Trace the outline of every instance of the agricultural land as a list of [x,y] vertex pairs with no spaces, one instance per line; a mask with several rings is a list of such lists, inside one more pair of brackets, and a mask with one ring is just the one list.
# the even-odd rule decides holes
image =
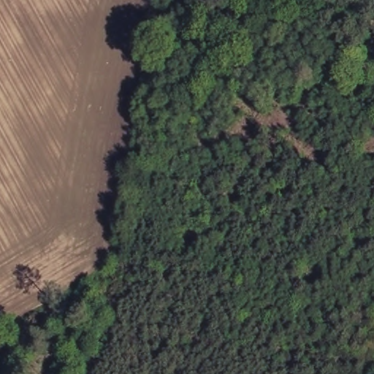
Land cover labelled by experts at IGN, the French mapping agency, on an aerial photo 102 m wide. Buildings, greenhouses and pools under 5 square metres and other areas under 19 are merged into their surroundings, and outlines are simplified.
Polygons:
[[149,80],[158,77],[155,70],[143,70],[142,63],[133,58],[133,34],[137,25],[143,20],[156,19],[153,15],[155,6],[152,0],[0,0],[0,314],[15,314],[16,317],[29,310],[37,310],[44,302],[58,304],[66,297],[70,282],[73,282],[80,273],[86,273],[92,273],[93,266],[96,250],[108,247],[107,241],[112,237],[112,225],[118,221],[114,206],[120,193],[120,178],[115,167],[118,162],[124,161],[130,155],[131,129],[134,126],[130,111],[131,98],[140,85],[145,85]]

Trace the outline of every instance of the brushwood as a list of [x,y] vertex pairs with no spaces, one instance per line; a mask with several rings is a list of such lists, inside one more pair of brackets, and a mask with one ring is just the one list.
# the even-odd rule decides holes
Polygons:
[[345,355],[345,365],[340,365],[339,362],[337,365],[326,365],[321,374],[374,374],[374,358],[365,362],[361,371],[356,371],[356,356]]
[[180,256],[181,247],[158,248],[158,240],[153,238],[153,219],[142,216],[134,228],[134,243],[131,245],[129,263],[118,264],[115,272],[108,275],[110,285],[105,291],[105,297],[114,310],[115,320],[102,333],[98,354],[92,356],[86,364],[86,374],[302,374],[302,362],[297,359],[298,348],[275,351],[270,346],[273,335],[278,333],[276,324],[282,323],[283,329],[288,329],[291,326],[289,318],[275,318],[272,323],[263,323],[257,317],[251,320],[245,317],[243,321],[237,320],[232,314],[235,304],[231,302],[235,292],[234,280],[224,279],[224,273],[218,273],[215,267],[200,270],[199,256],[191,256],[188,251],[186,256]]

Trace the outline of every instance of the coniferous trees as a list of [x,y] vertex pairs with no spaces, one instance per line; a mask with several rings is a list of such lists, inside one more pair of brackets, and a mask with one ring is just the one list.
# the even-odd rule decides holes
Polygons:
[[108,247],[96,250],[93,266],[102,269],[110,254],[120,253],[120,245],[112,244]]
[[340,54],[349,45],[367,47],[367,57],[374,60],[374,0],[324,0],[324,6],[314,10],[314,13],[317,19],[320,19],[320,28],[329,29],[330,35],[327,39],[332,42],[333,51],[324,61],[321,70],[318,67],[310,69],[305,61],[299,63],[301,70],[295,88],[301,89],[302,93],[308,96],[314,92],[320,98],[324,88],[336,88],[337,82],[332,76],[332,67],[339,63]]
[[29,310],[16,317],[19,337],[15,343],[9,345],[12,352],[7,355],[7,362],[12,362],[15,367],[13,374],[60,374],[66,367],[66,362],[57,358],[57,349],[61,345],[66,345],[70,339],[75,340],[79,351],[86,345],[88,330],[79,329],[77,323],[85,317],[82,299],[89,291],[86,273],[80,273],[73,282],[70,282],[66,297],[58,304],[44,302],[37,310]]

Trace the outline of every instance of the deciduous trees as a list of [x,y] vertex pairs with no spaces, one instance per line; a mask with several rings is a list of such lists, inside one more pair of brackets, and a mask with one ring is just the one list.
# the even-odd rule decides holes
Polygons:
[[15,314],[0,314],[0,346],[9,345],[15,343],[19,337],[16,317]]
[[282,323],[276,324],[278,333],[273,335],[270,346],[275,351],[298,348],[297,359],[302,362],[302,374],[321,374],[326,365],[337,365],[339,362],[340,365],[345,365],[345,355],[356,356],[356,371],[361,371],[365,362],[374,358],[374,60],[367,57],[367,47],[349,45],[340,54],[339,63],[332,67],[332,76],[337,82],[336,88],[324,88],[320,98],[314,92],[308,96],[307,107],[297,114],[299,131],[295,133],[295,137],[305,145],[311,146],[313,152],[316,149],[329,150],[329,156],[323,164],[317,165],[314,158],[305,158],[295,146],[289,146],[286,140],[276,139],[276,133],[282,129],[282,124],[260,126],[259,133],[250,142],[241,143],[243,134],[228,134],[225,142],[216,145],[219,158],[213,161],[209,150],[203,148],[200,142],[215,137],[219,131],[226,131],[234,124],[231,120],[232,108],[235,108],[232,99],[238,98],[238,91],[254,99],[260,114],[272,112],[273,101],[282,102],[283,105],[295,104],[302,93],[301,89],[295,88],[301,70],[299,63],[305,61],[310,69],[318,67],[321,70],[324,61],[333,51],[332,42],[327,39],[330,35],[329,29],[320,28],[320,19],[317,19],[314,13],[314,10],[324,6],[324,0],[152,0],[155,6],[153,15],[156,19],[143,20],[137,25],[133,34],[133,58],[142,63],[143,70],[155,70],[158,77],[149,80],[145,85],[140,85],[131,98],[130,111],[134,126],[131,129],[130,155],[124,161],[118,162],[115,167],[120,178],[120,193],[114,206],[118,221],[112,225],[112,237],[107,241],[108,247],[112,244],[120,245],[120,253],[110,254],[102,269],[93,266],[92,273],[86,273],[89,291],[82,299],[85,317],[77,323],[79,329],[88,330],[86,345],[79,351],[75,340],[70,339],[66,345],[61,345],[57,349],[57,358],[66,362],[66,367],[60,374],[86,374],[86,364],[92,356],[98,354],[102,333],[115,320],[114,310],[105,297],[105,291],[110,285],[108,275],[115,272],[118,264],[129,263],[131,245],[134,243],[134,228],[142,216],[153,219],[153,238],[158,240],[158,248],[181,247],[180,256],[186,256],[188,251],[191,256],[199,256],[200,270],[215,267],[218,273],[224,273],[224,279],[234,280],[235,292],[231,302],[235,304],[232,314],[237,320],[243,321],[245,317],[251,320],[257,317],[263,323],[272,323],[275,318],[289,318],[291,326],[288,329],[283,329]]

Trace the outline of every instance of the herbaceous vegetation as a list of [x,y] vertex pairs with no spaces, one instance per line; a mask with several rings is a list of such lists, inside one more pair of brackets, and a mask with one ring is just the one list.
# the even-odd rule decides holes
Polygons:
[[219,158],[216,145],[225,142],[228,134],[243,134],[241,143],[250,142],[259,133],[260,126],[282,124],[282,129],[276,133],[276,139],[286,140],[289,146],[295,146],[305,158],[314,158],[317,165],[323,164],[329,156],[329,150],[316,149],[313,152],[311,146],[305,145],[295,137],[295,133],[299,131],[297,114],[307,107],[308,96],[302,93],[295,104],[283,105],[282,102],[273,101],[272,112],[260,114],[254,99],[238,91],[238,98],[232,99],[235,108],[232,108],[231,120],[234,124],[226,131],[219,131],[215,137],[200,142],[203,148],[209,150],[213,161]]
[[7,362],[7,355],[12,352],[9,345],[0,346],[0,374],[13,374],[15,367],[12,362]]

